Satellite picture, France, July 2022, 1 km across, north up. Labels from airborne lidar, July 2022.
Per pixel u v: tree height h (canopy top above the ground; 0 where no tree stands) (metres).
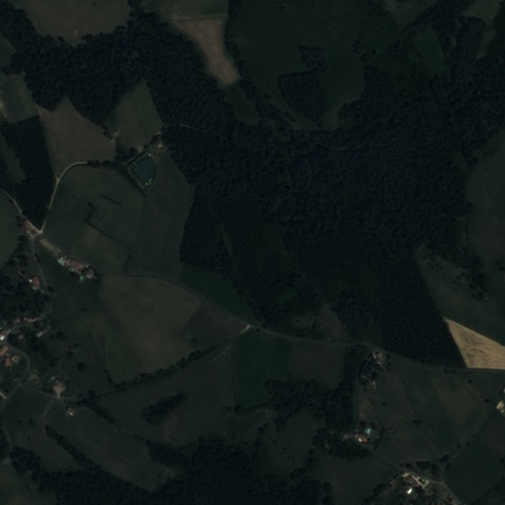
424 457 0
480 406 0
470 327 0
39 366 0
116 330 0
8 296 15
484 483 0
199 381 0
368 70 16
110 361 0
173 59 23
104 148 0
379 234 27
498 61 21
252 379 0
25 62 23
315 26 0
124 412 0
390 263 11
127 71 25
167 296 0
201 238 20
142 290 0
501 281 0
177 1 0
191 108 23
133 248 0
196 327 0
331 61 0
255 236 6
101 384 0
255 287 10
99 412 11
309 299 12
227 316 0
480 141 24
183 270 0
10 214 0
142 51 21
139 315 0
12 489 0
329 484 12
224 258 24
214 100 18
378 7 13
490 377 0
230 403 0
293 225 32
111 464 0
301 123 0
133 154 16
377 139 31
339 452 10
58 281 0
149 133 0
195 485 19
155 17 23
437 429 0
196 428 0
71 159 0
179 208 0
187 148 17
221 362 0
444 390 0
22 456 17
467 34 29
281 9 8
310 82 18
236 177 7
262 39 0
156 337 0
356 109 24
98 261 0
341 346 0
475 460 0
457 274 0
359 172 26
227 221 12
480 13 0
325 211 18
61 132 0
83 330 0
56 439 7
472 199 0
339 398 11
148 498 24
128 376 0
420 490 14
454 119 17
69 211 0
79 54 24
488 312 0
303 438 0
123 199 0
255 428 0
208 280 0
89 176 0
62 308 0
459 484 0
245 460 21
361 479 0
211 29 0
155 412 11
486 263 0
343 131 17
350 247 12
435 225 20
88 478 16
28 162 15
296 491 13
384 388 0
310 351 0
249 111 0
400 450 0
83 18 0
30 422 9
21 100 0
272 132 17
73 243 0
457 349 11
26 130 10
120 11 0
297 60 0
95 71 10
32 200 15
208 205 14
